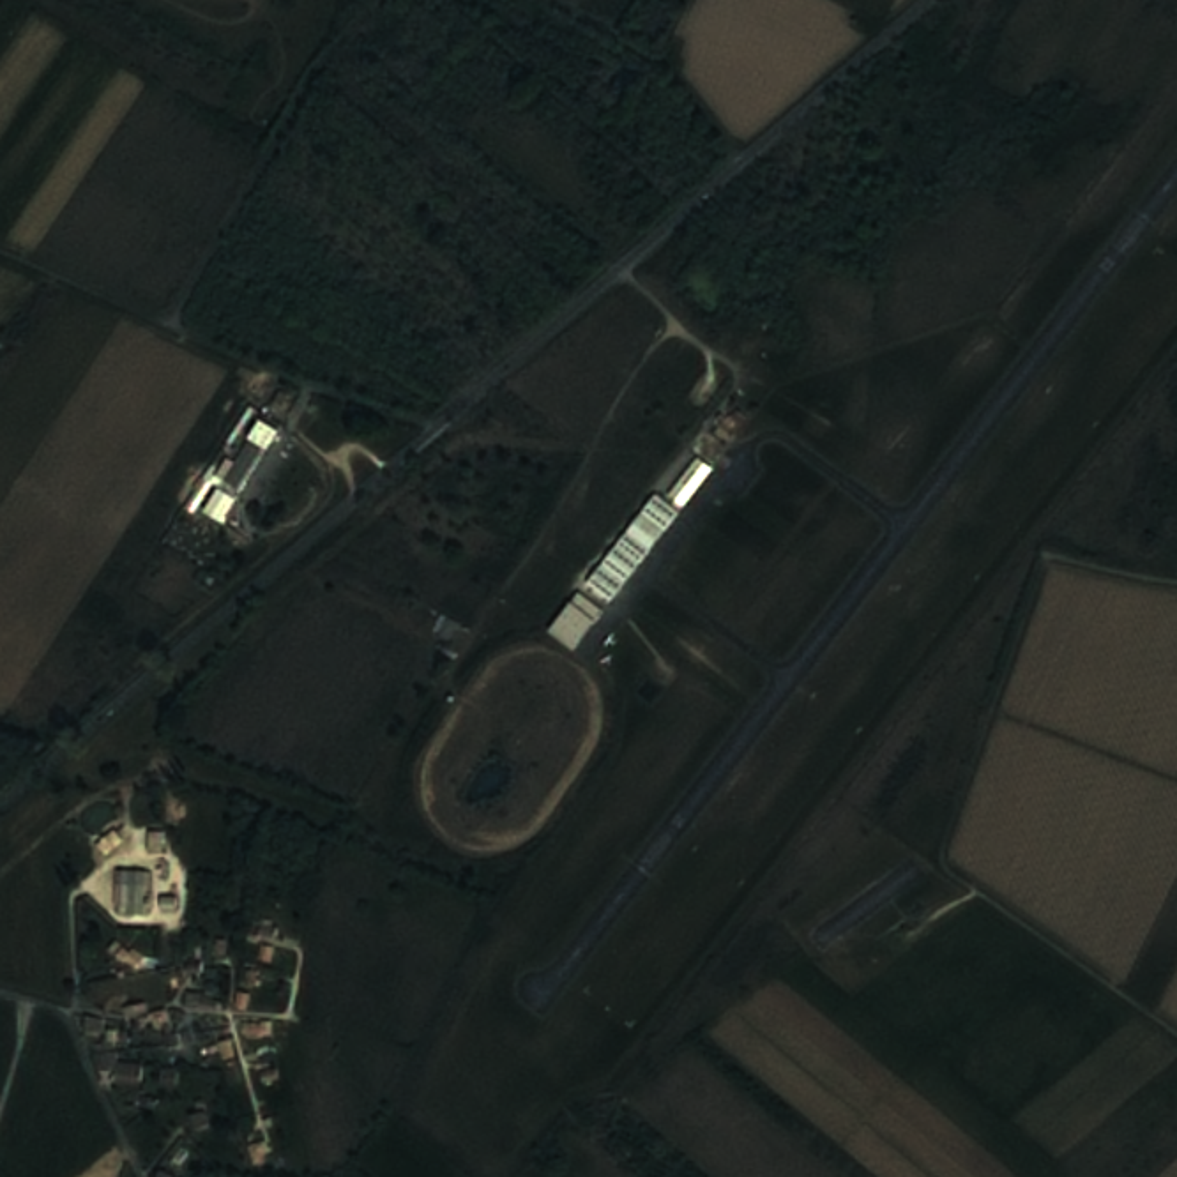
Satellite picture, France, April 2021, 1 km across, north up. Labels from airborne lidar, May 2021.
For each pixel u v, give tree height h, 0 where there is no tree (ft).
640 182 33
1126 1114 0
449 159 39
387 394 21
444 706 0
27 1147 0
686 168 47
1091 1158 0
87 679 0
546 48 56
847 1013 0
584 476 0
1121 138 0
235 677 0
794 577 0
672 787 0
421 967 0
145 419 0
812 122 28
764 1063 0
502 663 0
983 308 0
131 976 0
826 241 55
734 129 0
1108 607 0
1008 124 29
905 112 37
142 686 0
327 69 31
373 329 37
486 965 0
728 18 0
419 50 35
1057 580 0
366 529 0
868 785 0
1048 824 0
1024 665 0
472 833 0
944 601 0
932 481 0
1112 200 0
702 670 0
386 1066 0
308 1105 0
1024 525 0
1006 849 0
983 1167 0
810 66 0
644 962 0
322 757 0
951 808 0
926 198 35
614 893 0
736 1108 0
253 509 21
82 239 0
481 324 41
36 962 0
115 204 0
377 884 0
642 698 0
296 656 0
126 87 0
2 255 0
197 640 0
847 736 0
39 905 0
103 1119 0
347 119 54
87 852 0
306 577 0
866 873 0
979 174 25
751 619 0
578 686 0
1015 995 0
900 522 0
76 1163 0
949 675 0
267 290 19
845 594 0
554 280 63
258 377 0
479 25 59
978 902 0
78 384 0
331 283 28
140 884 0
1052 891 0
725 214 45
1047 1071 0
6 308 0
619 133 40
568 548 0
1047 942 0
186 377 0
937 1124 0
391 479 46
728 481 0
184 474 0
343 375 21
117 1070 0
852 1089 0
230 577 29
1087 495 0
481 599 0
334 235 24
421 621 0
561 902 0
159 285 0
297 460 0
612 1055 0
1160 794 0
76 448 0
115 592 0
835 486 0
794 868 0
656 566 0
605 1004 0
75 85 0
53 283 0
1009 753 0
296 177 44
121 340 0
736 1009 0
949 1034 0
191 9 0
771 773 0
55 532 0
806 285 0
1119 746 0
